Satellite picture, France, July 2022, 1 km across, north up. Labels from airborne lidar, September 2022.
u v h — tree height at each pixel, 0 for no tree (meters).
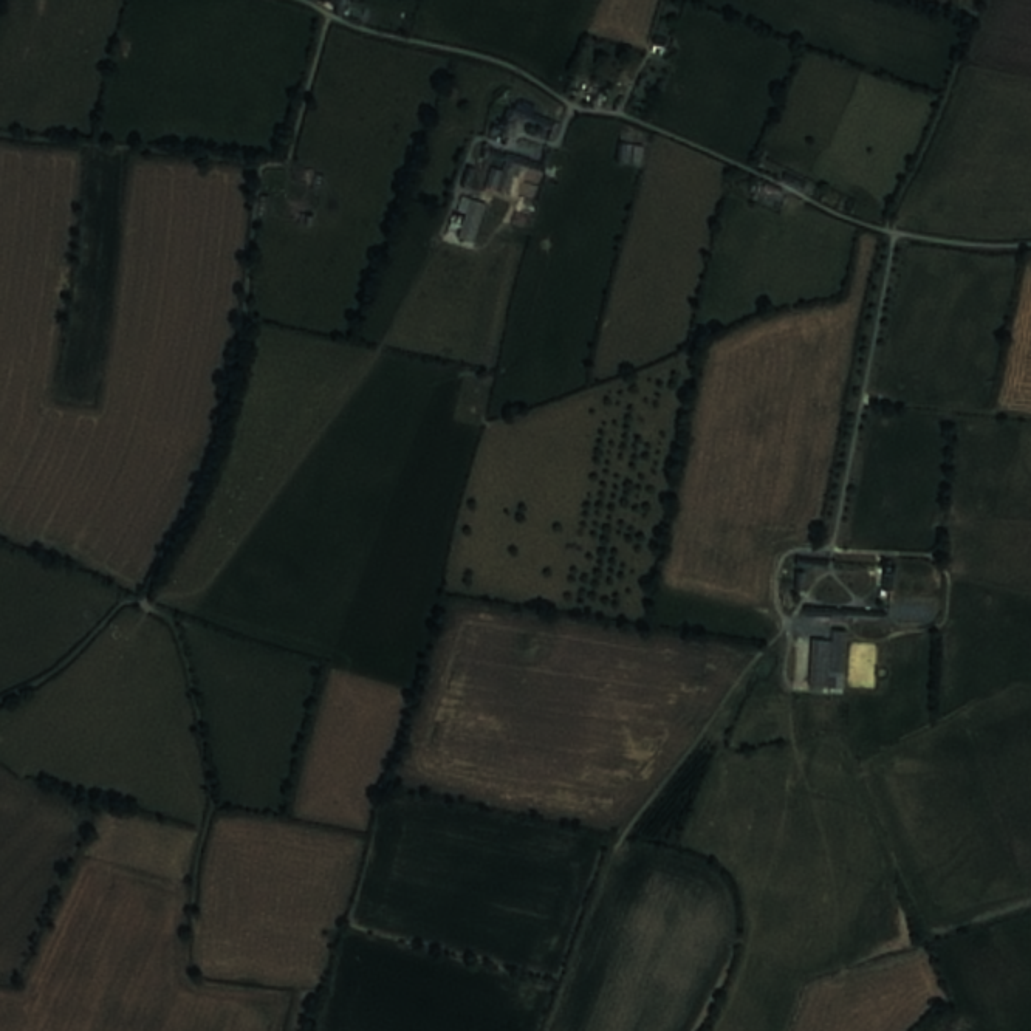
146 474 0
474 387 0
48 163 0
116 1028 0
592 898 8
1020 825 0
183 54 0
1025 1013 0
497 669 0
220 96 0
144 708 0
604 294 8
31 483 0
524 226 0
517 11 0
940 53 0
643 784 0
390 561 0
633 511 7
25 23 0
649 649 0
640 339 0
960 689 0
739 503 0
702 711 0
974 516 0
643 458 7
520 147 0
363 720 0
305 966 0
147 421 0
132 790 0
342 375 0
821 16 0
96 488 0
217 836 0
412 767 0
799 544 0
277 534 0
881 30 0
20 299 0
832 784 0
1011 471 0
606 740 0
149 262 0
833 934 0
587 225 0
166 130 0
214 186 0
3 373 0
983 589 0
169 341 0
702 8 15
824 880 0
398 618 0
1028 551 0
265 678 0
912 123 0
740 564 0
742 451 0
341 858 0
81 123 0
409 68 0
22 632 0
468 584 8
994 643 0
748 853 0
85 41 0
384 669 0
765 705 0
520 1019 0
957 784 0
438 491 0
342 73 0
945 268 0
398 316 0
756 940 0
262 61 0
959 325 0
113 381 0
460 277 0
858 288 0
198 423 0
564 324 0
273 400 0
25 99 0
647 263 0
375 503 0
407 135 0
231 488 0
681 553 0
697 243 0
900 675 0
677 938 0
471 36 0
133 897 0
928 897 0
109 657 0
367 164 0
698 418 0
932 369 0
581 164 0
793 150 0
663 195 0
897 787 0
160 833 0
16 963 0
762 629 0
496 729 0
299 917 0
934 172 0
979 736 0
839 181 0
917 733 0
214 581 0
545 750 0
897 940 0
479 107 0
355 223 0
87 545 0
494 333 0
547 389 0
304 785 0
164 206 0
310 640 0
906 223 0
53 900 17
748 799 0
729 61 0
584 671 0
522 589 0
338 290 0
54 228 0
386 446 0
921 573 0
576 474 0
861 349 7
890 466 0
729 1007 0
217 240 0
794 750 0
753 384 0
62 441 0
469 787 0
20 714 0
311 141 0
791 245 0
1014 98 0
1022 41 0
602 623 12
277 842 0
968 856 0
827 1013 0
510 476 0
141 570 0
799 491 0
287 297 0
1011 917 0
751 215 0
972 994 0
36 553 18
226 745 0
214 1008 0
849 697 0
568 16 0
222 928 0
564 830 12
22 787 0
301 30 0
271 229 0
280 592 0
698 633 16
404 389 0
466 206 0
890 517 0
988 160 0
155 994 0
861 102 0
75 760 0
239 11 0
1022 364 0
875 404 14
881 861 0
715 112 0
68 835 0
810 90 0
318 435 0
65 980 0
